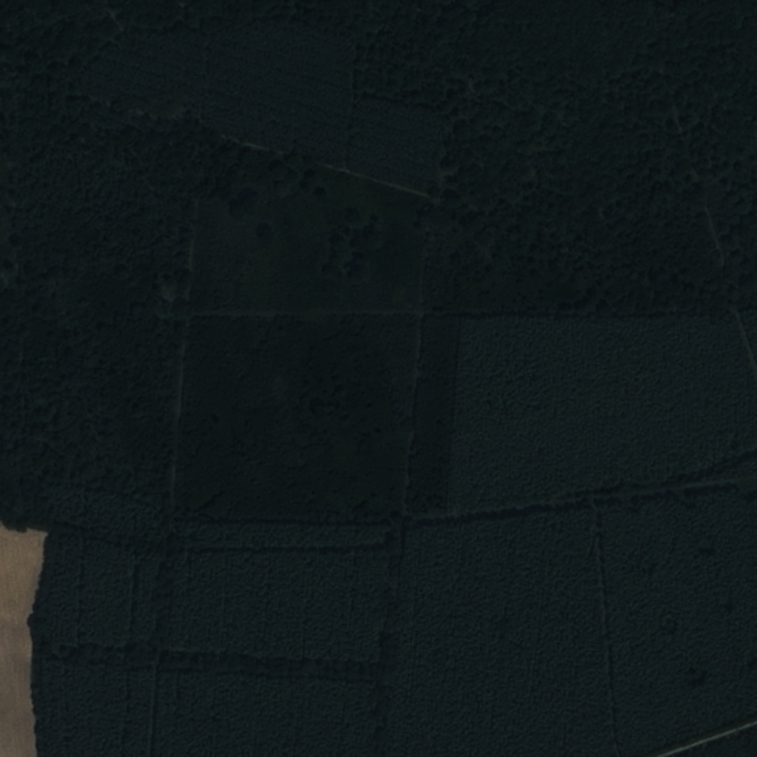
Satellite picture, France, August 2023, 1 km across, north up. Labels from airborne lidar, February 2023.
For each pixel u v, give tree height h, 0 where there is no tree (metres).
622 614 15
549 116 12
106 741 17
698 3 19
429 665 15
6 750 0
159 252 15
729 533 20
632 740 19
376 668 19
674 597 16
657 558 15
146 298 7
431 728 16
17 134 18
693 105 16
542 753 16
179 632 18
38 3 23
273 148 15
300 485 7
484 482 13
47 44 23
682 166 18
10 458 19
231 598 18
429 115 17
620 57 19
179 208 14
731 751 8
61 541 17
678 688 16
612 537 16
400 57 12
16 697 0
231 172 13
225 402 0
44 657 14
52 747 17
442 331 14
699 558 20
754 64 18
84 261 13
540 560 17
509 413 17
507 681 17
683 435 15
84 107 9
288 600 17
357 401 9
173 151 21
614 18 25
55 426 17
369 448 6
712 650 17
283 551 20
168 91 14
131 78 14
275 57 18
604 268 20
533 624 15
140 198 12
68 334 14
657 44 18
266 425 7
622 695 18
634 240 7
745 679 17
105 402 18
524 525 20
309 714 14
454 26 25
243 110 15
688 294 21
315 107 14
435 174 15
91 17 13
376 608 16
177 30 15
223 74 13
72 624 18
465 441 14
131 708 16
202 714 17
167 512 17
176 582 18
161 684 17
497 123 9
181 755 19
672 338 17
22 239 17
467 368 17
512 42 24
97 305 5
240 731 17
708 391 16
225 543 19
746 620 18
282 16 24
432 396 15
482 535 17
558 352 19
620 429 16
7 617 0
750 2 21
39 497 15
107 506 19
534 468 15
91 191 13
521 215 12
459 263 18
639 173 13
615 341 19
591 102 16
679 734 16
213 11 23
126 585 21
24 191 7
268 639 19
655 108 18
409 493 10
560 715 17
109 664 17
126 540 19
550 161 14
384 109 16
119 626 19
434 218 23
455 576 17
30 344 9
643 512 15
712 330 16
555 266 16
